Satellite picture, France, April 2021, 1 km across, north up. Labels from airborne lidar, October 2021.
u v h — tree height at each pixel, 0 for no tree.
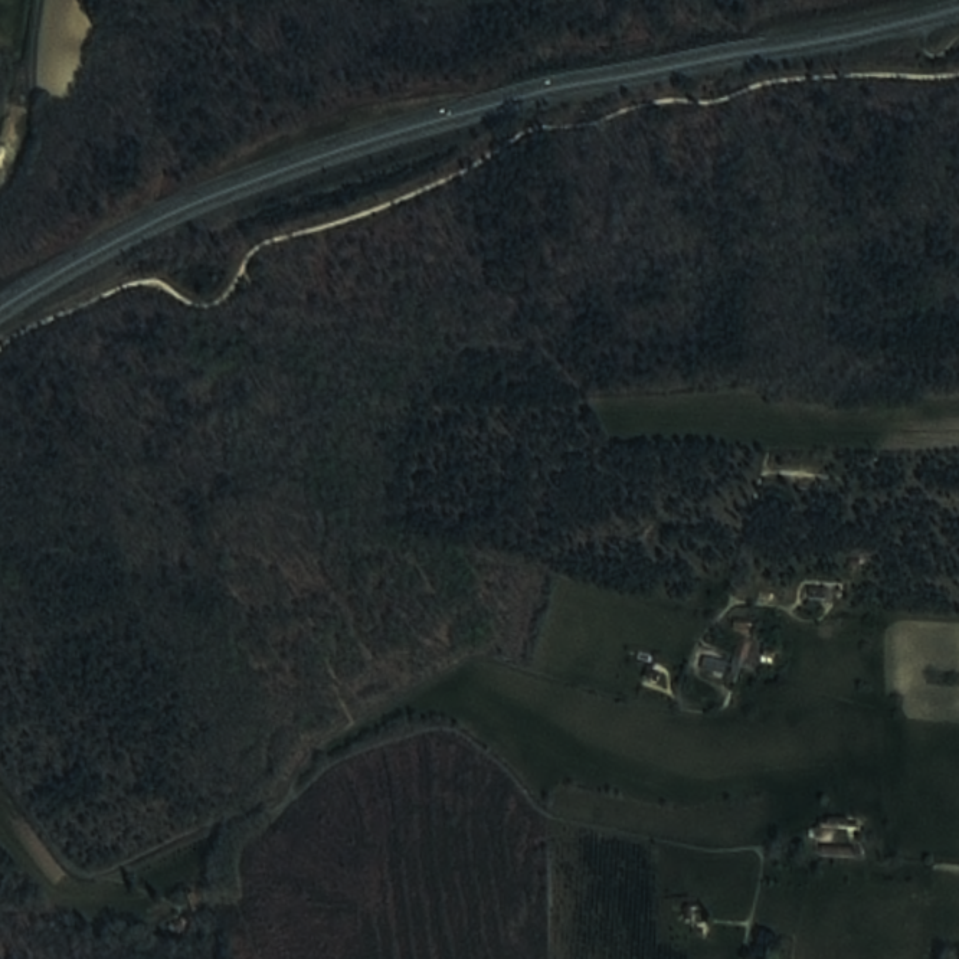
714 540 19
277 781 22
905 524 11
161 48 15
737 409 0
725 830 0
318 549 20
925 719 0
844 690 0
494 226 11
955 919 0
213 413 17
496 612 19
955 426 0
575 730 0
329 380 16
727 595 12
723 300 19
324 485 14
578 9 15
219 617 19
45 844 7
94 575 18
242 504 19
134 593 17
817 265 19
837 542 19
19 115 0
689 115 15
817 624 6
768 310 14
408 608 18
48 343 17
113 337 11
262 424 16
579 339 18
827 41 0
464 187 14
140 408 18
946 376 17
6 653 7
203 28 16
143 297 12
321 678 14
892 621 0
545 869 9
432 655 17
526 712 0
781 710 0
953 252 13
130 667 14
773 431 0
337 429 21
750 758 0
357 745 12
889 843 0
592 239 10
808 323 19
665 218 19
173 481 16
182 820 20
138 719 14
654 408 0
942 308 16
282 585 19
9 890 18
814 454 9
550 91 0
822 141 15
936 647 0
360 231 7
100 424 20
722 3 21
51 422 27
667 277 17
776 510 19
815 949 0
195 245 14
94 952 17
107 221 10
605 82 0
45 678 13
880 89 10
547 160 27
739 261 20
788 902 0
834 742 0
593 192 15
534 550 17
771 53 0
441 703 0
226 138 14
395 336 19
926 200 21
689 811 0
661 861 0
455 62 13
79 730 8
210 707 18
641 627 0
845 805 0
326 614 11
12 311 0
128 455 18
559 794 0
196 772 15
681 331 15
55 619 14
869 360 19
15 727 12
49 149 15
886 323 17
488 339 14
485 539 13
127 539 18
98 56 21
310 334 17
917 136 24
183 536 17
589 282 15
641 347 10
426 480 15
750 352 18
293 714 22
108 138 14
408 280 16
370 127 0
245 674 18
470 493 17
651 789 0
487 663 0
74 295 0
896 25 0
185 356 17
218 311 16
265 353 18
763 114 10
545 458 14
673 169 14
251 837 20
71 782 17
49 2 0
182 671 14
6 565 20
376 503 19
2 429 14
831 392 15
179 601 18
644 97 10
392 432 19
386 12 16
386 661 13
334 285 13
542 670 0
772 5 11
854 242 17
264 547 17
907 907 0
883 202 24
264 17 14
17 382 20
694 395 9
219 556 16
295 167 0
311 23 15
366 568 19
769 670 7
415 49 12
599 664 0
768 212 26
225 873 23
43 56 0
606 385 14
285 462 17
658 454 18
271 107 22
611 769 0
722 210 18
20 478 16
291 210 8
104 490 16
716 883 0
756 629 8
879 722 0
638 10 12
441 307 19
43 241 12
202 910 8
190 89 13
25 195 17
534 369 16
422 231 13
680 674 8
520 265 20
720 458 13
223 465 13
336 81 14
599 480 19
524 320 14
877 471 8
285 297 15
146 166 18
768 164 21
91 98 13
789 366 16
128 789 12
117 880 0
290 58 16
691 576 17
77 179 14
